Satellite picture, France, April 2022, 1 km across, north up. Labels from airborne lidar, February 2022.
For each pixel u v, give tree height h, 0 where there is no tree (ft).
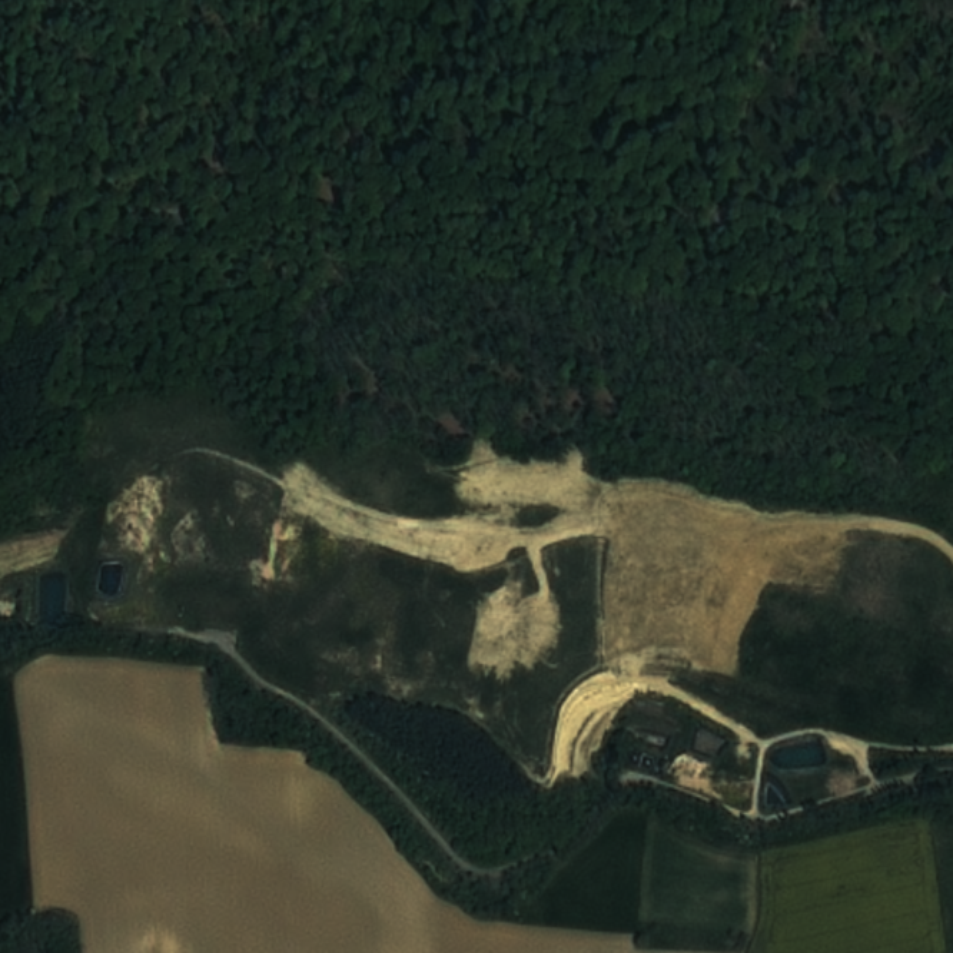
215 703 66
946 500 0
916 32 21
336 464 0
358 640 0
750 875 0
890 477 58
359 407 73
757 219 102
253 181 104
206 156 93
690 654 0
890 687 0
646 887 0
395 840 35
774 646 0
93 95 86
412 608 0
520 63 115
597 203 106
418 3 41
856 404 89
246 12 97
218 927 0
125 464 0
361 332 94
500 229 98
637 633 0
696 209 108
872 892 0
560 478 0
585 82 115
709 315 85
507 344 87
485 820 54
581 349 74
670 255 98
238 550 0
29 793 0
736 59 108
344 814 0
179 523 0
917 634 0
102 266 73
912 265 98
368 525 0
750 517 0
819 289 96
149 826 0
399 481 0
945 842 0
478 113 125
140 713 0
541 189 114
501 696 0
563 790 38
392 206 96
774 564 0
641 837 0
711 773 0
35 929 61
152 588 0
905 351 78
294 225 96
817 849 0
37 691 0
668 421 89
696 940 0
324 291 101
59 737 0
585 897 0
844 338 87
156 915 0
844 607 0
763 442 90
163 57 116
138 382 94
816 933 0
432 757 40
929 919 0
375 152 100
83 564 0
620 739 35
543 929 0
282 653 0
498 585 0
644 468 63
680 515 0
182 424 0
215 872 0
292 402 84
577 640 0
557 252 101
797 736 0
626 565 0
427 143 0
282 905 0
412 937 0
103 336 104
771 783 0
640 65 105
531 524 0
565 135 120
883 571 0
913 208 114
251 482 0
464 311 81
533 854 49
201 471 0
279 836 0
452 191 107
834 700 0
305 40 125
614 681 0
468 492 0
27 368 68
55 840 0
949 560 0
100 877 0
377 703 41
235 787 0
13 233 91
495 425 73
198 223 104
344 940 0
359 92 37
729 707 0
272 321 102
